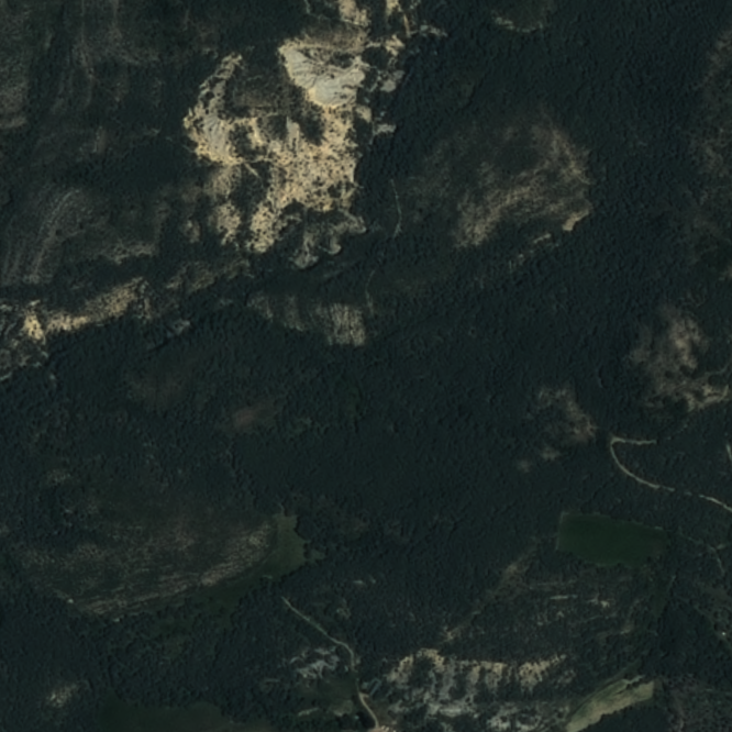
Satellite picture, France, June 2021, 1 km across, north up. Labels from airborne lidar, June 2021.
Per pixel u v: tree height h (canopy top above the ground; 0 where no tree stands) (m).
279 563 0
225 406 7
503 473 11
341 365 11
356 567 8
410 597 6
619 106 8
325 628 7
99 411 7
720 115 7
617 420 8
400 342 8
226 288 11
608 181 11
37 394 9
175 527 0
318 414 8
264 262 11
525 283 11
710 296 10
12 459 7
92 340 11
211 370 7
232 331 8
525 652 6
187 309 13
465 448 10
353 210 12
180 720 0
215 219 0
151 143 8
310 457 9
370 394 10
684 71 9
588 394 11
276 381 7
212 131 0
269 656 7
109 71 7
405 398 11
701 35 10
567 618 5
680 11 11
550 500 9
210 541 0
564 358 11
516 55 8
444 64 8
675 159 8
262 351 10
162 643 7
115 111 6
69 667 12
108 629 10
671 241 10
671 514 9
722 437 6
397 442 15
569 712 0
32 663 12
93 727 14
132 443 10
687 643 10
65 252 6
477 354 10
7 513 8
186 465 8
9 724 10
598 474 7
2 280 0
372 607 7
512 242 12
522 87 9
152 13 8
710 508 7
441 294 13
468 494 9
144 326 9
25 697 8
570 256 10
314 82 0
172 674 10
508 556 6
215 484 7
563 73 10
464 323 8
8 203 10
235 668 11
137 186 10
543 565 8
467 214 0
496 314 13
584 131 6
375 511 13
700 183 9
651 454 10
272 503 13
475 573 7
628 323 8
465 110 8
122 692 9
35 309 5
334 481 11
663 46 10
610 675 10
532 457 8
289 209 6
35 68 7
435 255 8
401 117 10
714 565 9
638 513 8
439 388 12
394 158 8
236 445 9
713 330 8
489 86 11
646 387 6
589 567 10
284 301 0
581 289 9
